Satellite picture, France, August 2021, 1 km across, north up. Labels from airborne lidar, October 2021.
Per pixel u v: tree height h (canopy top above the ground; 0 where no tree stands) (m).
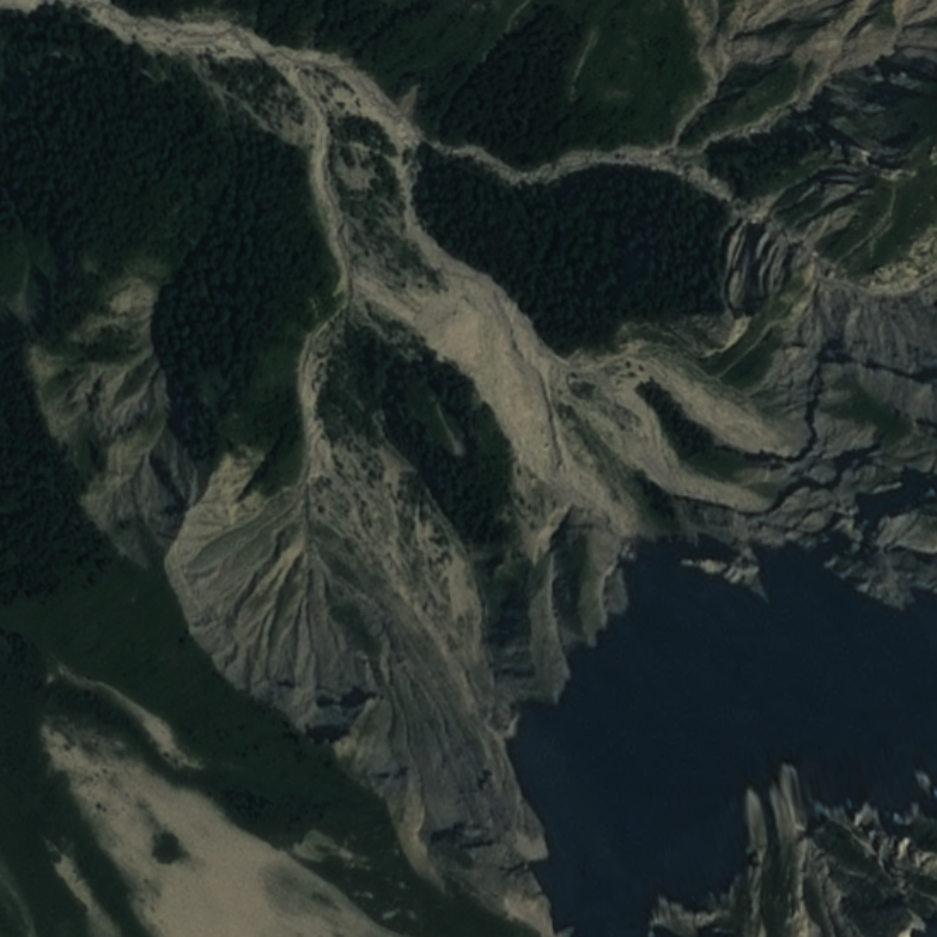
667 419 8
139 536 0
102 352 16
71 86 11
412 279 0
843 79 0
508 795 0
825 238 0
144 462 0
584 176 9
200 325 28
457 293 0
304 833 0
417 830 0
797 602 0
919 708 0
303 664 0
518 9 0
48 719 0
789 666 0
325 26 18
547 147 11
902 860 0
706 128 6
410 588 0
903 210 0
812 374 0
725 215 17
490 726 0
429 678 0
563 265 19
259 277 23
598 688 0
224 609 0
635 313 15
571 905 0
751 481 0
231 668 0
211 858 0
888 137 0
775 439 0
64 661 0
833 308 0
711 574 0
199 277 24
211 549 0
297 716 0
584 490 0
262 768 0
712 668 0
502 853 0
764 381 0
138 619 0
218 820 0
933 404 0
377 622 0
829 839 0
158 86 10
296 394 8
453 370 12
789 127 0
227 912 0
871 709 0
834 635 0
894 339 0
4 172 15
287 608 0
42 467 14
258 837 0
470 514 16
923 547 0
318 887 0
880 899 0
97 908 0
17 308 0
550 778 0
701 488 0
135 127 19
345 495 0
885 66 0
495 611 0
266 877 0
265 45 0
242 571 0
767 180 9
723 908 0
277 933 0
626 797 0
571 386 0
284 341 12
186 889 0
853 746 0
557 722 0
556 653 0
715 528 0
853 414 0
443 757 0
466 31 0
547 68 11
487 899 0
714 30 0
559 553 0
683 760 0
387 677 0
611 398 0
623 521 0
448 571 0
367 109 0
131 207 19
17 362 15
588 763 0
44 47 16
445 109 9
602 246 25
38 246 0
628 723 0
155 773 0
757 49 0
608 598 0
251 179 22
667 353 0
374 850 0
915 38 0
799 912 0
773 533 0
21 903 0
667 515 9
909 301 0
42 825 0
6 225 12
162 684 0
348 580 0
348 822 0
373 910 0
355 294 0
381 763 0
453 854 0
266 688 0
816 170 0
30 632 0
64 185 16
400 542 0
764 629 0
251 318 15
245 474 0
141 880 0
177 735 0
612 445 0
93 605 0
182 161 13
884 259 0
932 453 0
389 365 15
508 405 0
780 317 0
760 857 0
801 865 0
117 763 0
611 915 0
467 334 0
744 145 9
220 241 19
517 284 20
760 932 0
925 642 0
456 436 0
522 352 0
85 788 0
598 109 8
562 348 5
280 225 16
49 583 9
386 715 0
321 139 0
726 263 6
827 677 0
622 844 0
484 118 10
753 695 0
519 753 0
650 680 0
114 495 0
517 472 0
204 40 0
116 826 0
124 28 0
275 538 0
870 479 0
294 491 0
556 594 0
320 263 15
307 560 0
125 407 0
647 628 0
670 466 0
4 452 21
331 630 0
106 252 14
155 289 0
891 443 0
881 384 0
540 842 0
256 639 0
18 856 0
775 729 0
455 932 0
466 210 17
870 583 0
